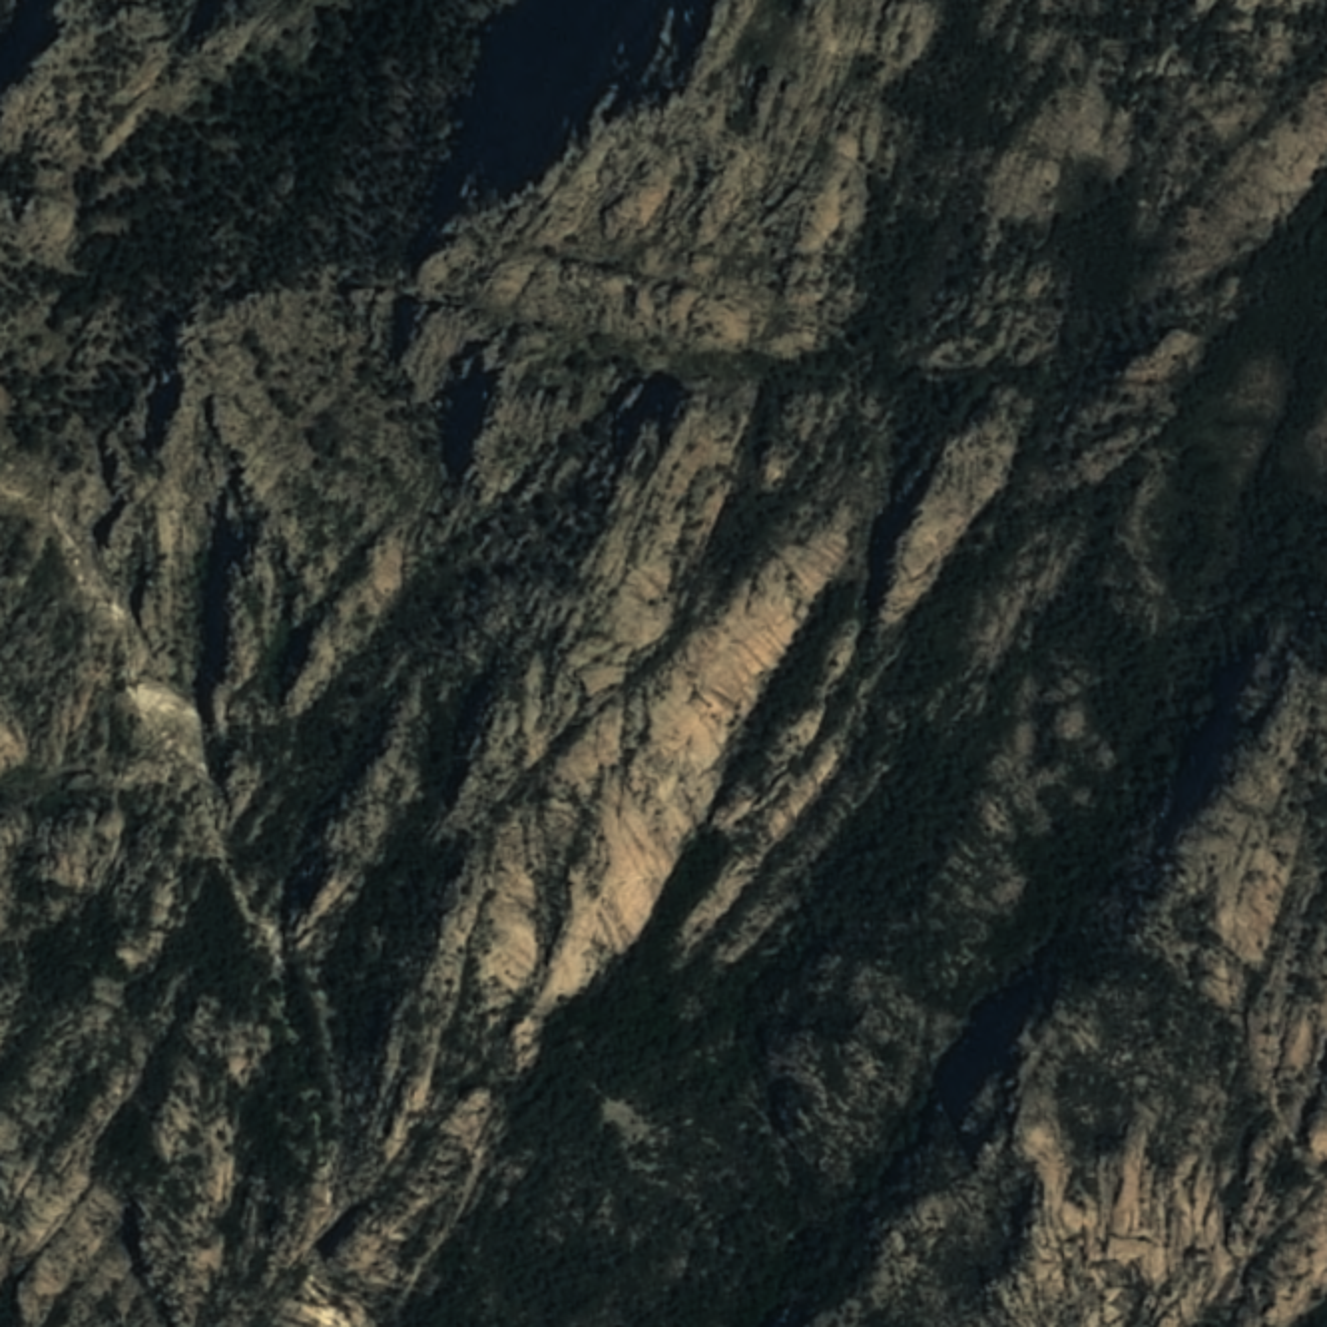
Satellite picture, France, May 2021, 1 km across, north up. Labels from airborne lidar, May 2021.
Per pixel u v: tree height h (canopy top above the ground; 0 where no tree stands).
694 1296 9
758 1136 19
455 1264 11
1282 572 19
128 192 11
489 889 7
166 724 0
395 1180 6
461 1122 0
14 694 7
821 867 18
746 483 18
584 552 15
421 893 22
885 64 10
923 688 17
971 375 27
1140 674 17
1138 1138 0
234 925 21
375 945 8
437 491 6
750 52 7
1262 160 0
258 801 21
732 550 13
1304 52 13
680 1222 12
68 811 18
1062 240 14
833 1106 11
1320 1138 0
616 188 8
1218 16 12
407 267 8
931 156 20
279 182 15
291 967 7
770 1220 17
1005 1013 6
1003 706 11
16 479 0
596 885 6
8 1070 17
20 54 7
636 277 7
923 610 23
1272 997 7
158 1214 10
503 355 9
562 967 0
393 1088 6
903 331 21
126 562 10
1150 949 11
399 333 6
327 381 20
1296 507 13
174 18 18
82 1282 9
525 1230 19
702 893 19
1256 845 6
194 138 24
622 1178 18
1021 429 11
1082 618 12
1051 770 7
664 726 0
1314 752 18
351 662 10
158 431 6
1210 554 13
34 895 6
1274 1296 9
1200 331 15
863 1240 8
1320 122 0
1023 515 18
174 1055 18
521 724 7
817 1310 10
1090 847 11
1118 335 10
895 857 19
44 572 14
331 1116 9
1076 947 11
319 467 14
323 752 16
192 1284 14
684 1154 13
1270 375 0
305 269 8
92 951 14
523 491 16
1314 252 17
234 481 7
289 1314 0
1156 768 13
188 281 16
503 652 10
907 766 7
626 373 16
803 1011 11
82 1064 13
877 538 15
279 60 24
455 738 7
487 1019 14
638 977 21
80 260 23
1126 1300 0
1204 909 17
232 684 14
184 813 8
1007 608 0
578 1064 18
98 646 6
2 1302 11
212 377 11
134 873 8
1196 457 13
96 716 7
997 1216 15
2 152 16
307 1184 8
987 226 14
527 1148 17
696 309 6
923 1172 6
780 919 7
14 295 15
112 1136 8
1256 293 16
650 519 6
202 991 10
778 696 18
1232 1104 6
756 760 20
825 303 11
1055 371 11
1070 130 0
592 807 17
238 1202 13
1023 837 13
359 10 8
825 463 8
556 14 18
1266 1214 15
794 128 11
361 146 13
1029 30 11
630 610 0
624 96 6
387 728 7
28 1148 13
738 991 22
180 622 8
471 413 10
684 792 0
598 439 18
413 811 10
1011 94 10
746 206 16
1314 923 22
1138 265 15
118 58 9
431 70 12
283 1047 16
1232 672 10
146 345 20
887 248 26
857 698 24
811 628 10
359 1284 7
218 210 21
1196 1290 0
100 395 22
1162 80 13
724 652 0
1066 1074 7
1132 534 0
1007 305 11
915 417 10
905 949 14
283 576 6
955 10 9
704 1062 12
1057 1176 0
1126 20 12
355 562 6
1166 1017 9
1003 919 8
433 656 8
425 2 25
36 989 18
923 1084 7
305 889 7
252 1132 8
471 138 11
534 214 16
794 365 14
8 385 17
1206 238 0
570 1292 10
